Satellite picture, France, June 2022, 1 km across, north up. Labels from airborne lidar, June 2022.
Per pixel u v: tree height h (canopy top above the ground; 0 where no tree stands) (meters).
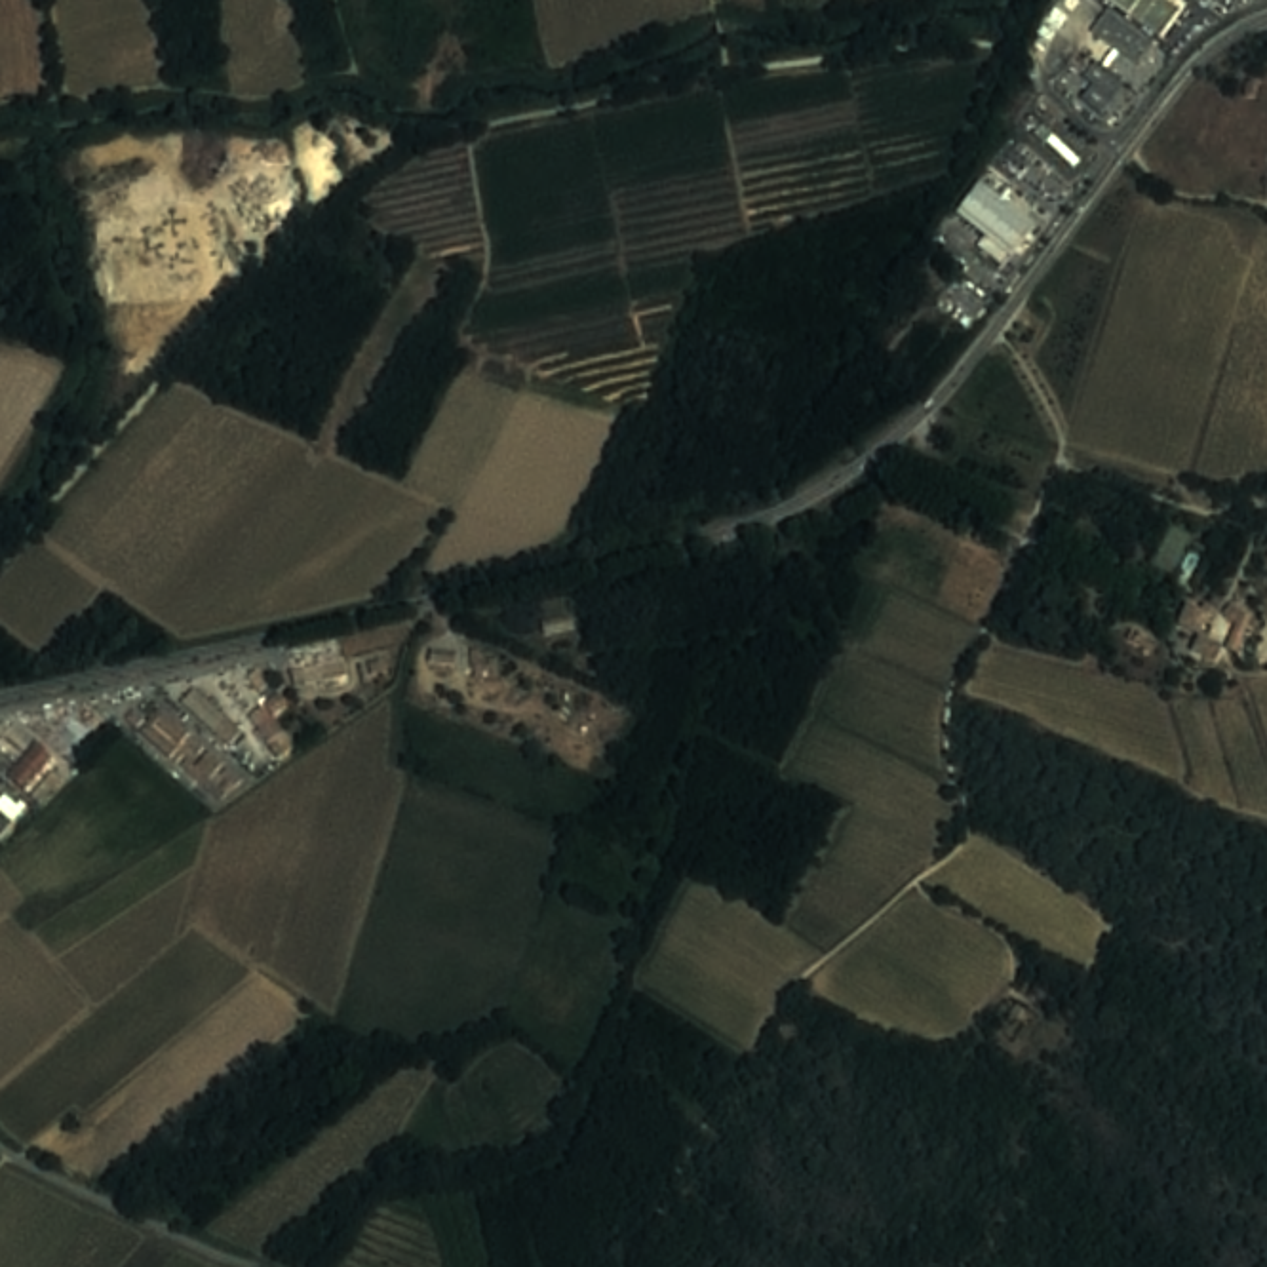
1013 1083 8
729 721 11
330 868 0
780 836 19
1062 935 0
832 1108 6
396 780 0
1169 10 0
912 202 10
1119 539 17
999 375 0
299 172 6
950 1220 9
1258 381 0
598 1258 13
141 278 0
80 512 0
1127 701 0
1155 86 0
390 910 0
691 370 16
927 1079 12
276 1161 11
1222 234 0
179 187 0
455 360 13
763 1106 11
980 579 0
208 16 15
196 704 0
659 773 7
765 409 21
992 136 8
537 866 0
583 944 0
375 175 18
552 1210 12
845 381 22
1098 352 0
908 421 0
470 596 23
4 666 10
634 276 6
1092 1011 7
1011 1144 6
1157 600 22
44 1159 10
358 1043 17
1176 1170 9
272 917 0
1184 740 0
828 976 0
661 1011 6
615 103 9
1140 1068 7
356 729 0
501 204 6
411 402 16
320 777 0
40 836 0
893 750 0
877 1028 11
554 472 0
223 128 6
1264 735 0
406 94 7
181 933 0
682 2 0
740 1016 0
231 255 0
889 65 14
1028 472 0
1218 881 11
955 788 12
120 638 15
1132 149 0
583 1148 18
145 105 10
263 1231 0
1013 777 11
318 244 13
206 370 16
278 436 0
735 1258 8
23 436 0
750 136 0
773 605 25
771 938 0
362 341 13
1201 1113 8
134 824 0
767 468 17
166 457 0
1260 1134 10
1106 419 0
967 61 9
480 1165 22
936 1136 12
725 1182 9
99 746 18
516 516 0
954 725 9
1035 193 0
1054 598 26
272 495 0
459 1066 18
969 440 0
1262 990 11
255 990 0
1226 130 0
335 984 0
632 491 16
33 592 0
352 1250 17
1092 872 13
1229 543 8
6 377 0
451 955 0
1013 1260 12
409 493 0
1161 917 10
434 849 0
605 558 12
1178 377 0
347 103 8
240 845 0
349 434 18
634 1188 14
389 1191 24
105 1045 0
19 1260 0
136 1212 17
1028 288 0
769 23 7
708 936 0
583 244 5
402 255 15
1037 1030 0
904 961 0
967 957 0
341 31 6
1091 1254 10
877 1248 10
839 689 0
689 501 16
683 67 11
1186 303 0
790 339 8
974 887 0
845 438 21
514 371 0
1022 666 0
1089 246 0
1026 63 21
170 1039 0
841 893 0
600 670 21
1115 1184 9
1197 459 0
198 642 0
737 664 7
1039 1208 11
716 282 9
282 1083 21
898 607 0
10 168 21
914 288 25
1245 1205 11
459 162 0
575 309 6
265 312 19
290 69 0
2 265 19
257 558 0
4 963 0
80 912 0
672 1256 14
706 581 13
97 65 0
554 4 0
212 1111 15
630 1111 15
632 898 9
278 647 21
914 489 38
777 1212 6
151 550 0
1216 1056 6
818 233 7
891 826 0
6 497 6
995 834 8
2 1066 0
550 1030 0
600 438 0
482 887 0
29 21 0
